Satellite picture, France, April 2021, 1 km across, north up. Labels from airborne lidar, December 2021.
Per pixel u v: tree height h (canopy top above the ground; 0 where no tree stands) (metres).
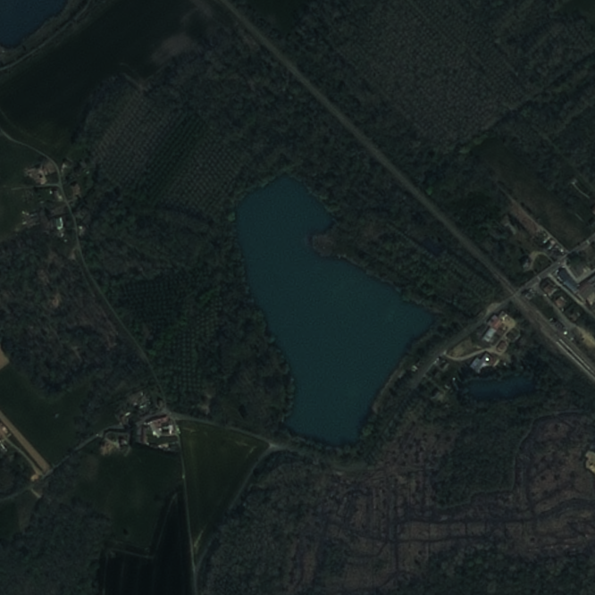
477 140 20
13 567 25
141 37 0
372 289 0
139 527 0
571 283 0
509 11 33
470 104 28
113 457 0
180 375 25
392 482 0
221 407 18
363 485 0
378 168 20
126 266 24
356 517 0
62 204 0
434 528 0
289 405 17
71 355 27
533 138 28
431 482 0
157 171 24
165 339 16
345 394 0
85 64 0
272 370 30
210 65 37
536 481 0
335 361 0
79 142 16
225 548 30
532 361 26
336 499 0
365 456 14
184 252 29
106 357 24
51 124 0
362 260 20
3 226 0
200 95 25
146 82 0
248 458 0
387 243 19
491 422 8
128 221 24
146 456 0
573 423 0
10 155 0
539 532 0
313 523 0
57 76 0
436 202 19
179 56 0
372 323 0
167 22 0
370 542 0
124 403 6
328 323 0
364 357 0
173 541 0
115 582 0
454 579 12
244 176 15
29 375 19
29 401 0
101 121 18
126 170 27
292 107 34
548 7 22
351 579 0
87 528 22
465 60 29
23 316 30
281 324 0
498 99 27
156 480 0
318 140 23
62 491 20
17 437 0
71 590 25
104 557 0
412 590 19
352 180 27
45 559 28
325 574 18
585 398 14
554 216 0
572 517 0
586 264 6
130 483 0
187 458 0
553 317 0
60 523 23
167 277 22
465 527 0
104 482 0
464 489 19
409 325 0
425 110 26
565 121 31
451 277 7
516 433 20
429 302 21
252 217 0
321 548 0
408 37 22
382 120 15
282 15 0
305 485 28
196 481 0
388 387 0
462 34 31
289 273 0
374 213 30
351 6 24
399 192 25
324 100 0
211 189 29
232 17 0
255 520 24
